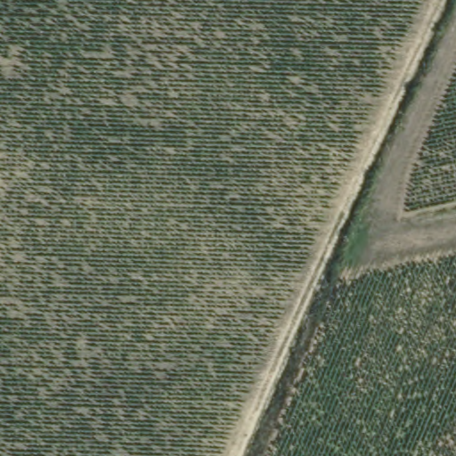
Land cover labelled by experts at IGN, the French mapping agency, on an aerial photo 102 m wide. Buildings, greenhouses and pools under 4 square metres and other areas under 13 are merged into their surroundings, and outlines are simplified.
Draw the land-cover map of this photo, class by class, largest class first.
<instances>
[{"label":"vineyard","instance_id":"1","mask_svg":"<svg viewBox=\"0 0 456 456\"><path fill-rule=\"evenodd\" d=\"M429 0H0V456H230L226 452V438L230 435L235 422H239L242 417L244 403L251 399L253 387L273 351L278 331L294 305L297 289L305 280L306 269L313 256L312 244L315 242V235L321 232L322 226L330 217V201L335 199L338 187L347 185V180L351 178V162L356 142L362 135L370 134L372 125L376 123V114L383 105L381 93L387 87L385 78L388 77L390 69H397L395 46H401L408 28L413 25V16L419 11L420 5H427ZM419 159L422 160V166L413 167L410 187L406 192V210L435 207L456 201V69L452 73L451 84L445 91L444 100L440 102V109L436 110L433 126H429L426 141L420 148ZM244 456H456V255L442 256L438 262H411L395 265L385 271H372L369 274H362L358 280H351V283H346L340 274L331 281L322 278L319 281V289L313 292L312 303L306 310L305 319L297 328L285 369L274 385L271 401L258 419L255 433L249 440Z\"/></svg>","mask_w":456,"mask_h":456},{"label":"herbaceous vegetation","instance_id":"2","mask_svg":"<svg viewBox=\"0 0 456 456\"><path fill-rule=\"evenodd\" d=\"M456 69V0H447L444 11L433 27L431 39L422 53L419 66L415 69L410 82L406 84L403 100L395 110L387 134L379 144L372 164L365 171L362 187L349 208L346 224L338 233L337 244L333 248L322 278L331 281L340 274L346 283H351V280H358L362 274H369L372 271H385L395 265L411 262H438L442 256L456 255V201L435 207L406 210V192L410 187L413 167L422 166V160L419 159L420 148L426 141L429 126H433L436 110L440 109V102L444 100L445 91L451 84L452 73Z\"/></svg>","mask_w":456,"mask_h":456},{"label":"pervious surface","instance_id":"3","mask_svg":"<svg viewBox=\"0 0 456 456\"><path fill-rule=\"evenodd\" d=\"M447 0H429L427 5H420L419 11L413 16V25L408 28L401 46H395L397 69H390L388 77L385 78L387 87L381 93L383 105L376 114V123L372 125L370 134L362 135L356 142L351 162V178L347 180V185L338 187L335 199L330 201V217L322 226L321 232L315 235V242L312 244L313 256L306 269L305 280L297 289L294 305L278 331L273 351L253 387L251 399L244 403L242 417L239 422H235L230 435L226 438V452L230 456H244L249 440L255 433L258 419L271 401L274 385L285 369L297 328L305 319L306 310L312 303L313 292L319 289V281L322 278L333 248L337 244L338 233L346 224L349 208L362 187L365 171L372 164L379 144L387 134L395 110L403 100L406 84L410 82L415 69L419 66L422 53L431 39L433 27L444 11Z\"/></svg>","mask_w":456,"mask_h":456}]
</instances>
